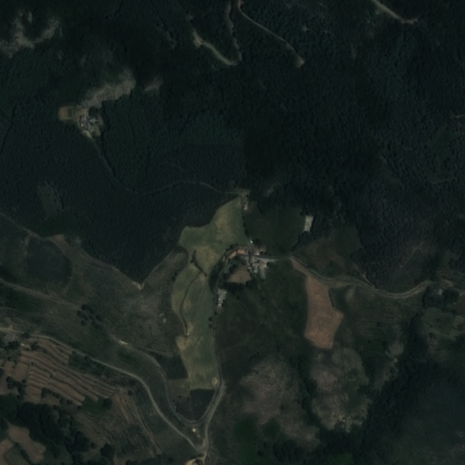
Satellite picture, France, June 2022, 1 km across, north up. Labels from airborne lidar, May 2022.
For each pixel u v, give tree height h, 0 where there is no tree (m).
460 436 0
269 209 15
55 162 15
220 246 0
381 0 14
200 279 0
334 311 0
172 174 15
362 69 14
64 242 0
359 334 0
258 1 20
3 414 19
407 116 24
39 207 20
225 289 9
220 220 0
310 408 13
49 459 0
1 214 0
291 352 0
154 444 0
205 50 11
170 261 0
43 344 0
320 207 11
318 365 0
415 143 22
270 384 0
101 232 15
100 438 0
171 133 23
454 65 16
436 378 12
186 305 0
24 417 33
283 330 0
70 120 0
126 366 0
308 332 0
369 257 11
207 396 0
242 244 0
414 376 23
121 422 0
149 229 16
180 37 23
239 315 0
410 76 21
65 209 15
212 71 7
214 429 0
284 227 0
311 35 19
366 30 9
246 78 21
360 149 11
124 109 29
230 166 21
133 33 29
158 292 0
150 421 0
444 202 12
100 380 0
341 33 14
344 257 0
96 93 0
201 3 18
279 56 21
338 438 20
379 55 19
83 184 16
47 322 0
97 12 23
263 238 0
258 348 0
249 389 0
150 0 20
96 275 0
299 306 0
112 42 16
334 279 0
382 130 17
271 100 11
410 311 0
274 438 0
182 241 0
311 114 15
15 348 16
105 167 15
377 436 11
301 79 17
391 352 6
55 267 0
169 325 0
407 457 0
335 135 17
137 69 17
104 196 17
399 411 9
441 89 21
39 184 21
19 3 16
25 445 0
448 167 17
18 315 0
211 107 7
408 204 8
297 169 21
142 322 0
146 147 30
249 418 0
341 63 13
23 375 0
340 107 18
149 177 20
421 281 6
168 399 0
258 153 19
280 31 28
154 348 0
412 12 23
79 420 0
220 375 0
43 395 13
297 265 0
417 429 0
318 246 0
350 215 14
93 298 0
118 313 0
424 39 21
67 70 23
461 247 10
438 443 0
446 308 11
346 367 0
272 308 0
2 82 15
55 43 18
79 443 21
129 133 31
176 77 26
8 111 30
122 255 16
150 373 0
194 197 12
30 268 0
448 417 0
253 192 7
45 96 33
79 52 18
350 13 11
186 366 0
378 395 13
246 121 20
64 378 0
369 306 0
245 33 6
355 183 8
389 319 0
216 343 0
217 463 0
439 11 19
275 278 0
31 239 0
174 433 0
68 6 22
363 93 14
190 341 0
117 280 0
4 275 9
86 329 0
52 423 15
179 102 8
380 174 12
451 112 11
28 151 22
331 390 0
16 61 25
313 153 22
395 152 13
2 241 0
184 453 0
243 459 0
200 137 30
